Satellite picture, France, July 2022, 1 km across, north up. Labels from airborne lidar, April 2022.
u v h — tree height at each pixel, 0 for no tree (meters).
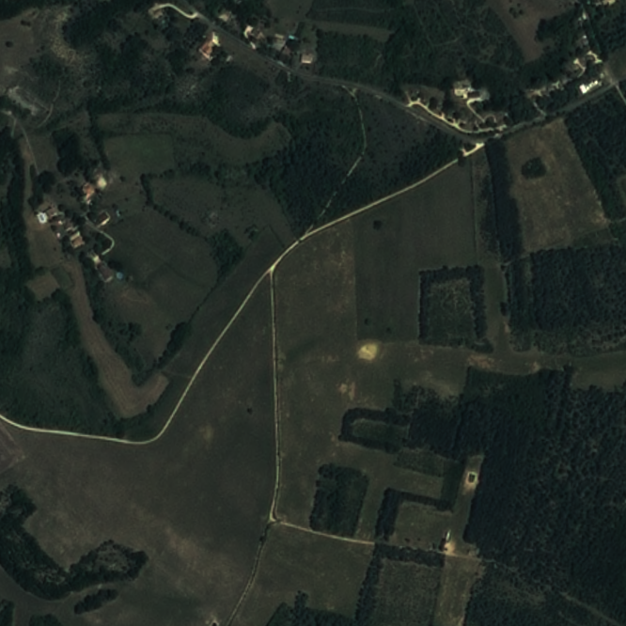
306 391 0
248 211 0
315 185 10
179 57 15
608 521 12
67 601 0
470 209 0
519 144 0
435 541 0
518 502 9
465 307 0
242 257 8
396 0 15
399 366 0
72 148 16
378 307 0
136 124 0
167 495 0
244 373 0
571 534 17
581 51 15
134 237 0
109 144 0
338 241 0
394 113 0
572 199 0
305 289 0
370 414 17
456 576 0
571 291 13
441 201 0
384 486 0
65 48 0
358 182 8
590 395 14
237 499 0
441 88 7
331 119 8
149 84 7
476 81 10
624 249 10
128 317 0
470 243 0
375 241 0
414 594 0
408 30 16
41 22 0
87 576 12
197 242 0
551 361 0
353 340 0
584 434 12
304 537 0
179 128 0
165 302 0
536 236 0
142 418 7
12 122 0
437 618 0
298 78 6
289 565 0
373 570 10
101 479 0
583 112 14
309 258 0
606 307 10
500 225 11
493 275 0
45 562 10
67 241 6
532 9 0
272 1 0
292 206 8
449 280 13
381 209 0
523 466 15
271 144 0
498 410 14
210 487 0
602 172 12
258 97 0
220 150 0
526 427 18
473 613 12
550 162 0
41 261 0
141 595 0
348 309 0
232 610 0
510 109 11
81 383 0
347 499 6
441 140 11
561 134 0
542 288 13
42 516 0
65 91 0
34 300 12
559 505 12
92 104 13
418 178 8
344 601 0
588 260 9
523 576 9
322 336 0
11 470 0
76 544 0
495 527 12
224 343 0
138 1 11
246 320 0
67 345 8
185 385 0
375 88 0
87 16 8
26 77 0
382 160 0
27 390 0
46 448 0
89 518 0
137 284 0
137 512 0
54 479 0
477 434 14
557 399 12
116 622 0
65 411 0
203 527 0
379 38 0
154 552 0
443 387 0
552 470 15
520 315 10
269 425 0
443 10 6
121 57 8
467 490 0
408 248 0
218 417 0
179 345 13
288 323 0
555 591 8
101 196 5
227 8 7
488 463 14
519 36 0
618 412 18
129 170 0
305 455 0
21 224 17
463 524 0
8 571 7
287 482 0
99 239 8
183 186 0
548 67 10
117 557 0
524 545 12
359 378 0
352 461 0
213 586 0
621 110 12
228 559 0
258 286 0
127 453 0
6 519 12
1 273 13
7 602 7
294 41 15
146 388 0
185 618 0
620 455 14
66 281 0
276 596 0
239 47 0
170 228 0
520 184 0
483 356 0
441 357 0
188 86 0
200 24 10
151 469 0
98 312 13
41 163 0
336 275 0
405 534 0
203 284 0
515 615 14
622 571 6
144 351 0
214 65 12
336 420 0
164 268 0
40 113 0
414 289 0
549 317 14
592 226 0
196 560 0
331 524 6
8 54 0
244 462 0
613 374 0
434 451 12
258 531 0
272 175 13
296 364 0
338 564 0
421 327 9
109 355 0
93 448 0
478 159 0
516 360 0
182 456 0
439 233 0
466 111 0
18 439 0
